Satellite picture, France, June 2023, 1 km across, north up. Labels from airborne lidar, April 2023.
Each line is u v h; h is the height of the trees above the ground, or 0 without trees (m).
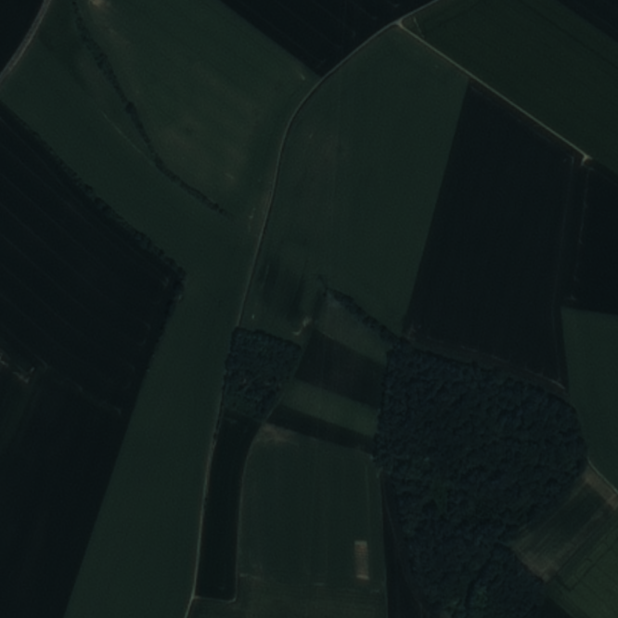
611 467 0
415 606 0
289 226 0
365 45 0
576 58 0
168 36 0
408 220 0
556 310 0
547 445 25
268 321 0
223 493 0
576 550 0
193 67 0
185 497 0
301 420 0
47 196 0
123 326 0
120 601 0
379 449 12
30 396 0
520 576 23
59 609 0
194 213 0
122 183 0
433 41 0
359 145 0
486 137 0
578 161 0
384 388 15
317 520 0
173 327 0
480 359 0
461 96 0
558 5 0
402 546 0
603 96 0
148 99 0
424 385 17
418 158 0
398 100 0
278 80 0
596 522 0
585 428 0
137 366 0
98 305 0
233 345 13
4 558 0
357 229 0
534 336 0
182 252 0
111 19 0
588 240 0
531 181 0
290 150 0
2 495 0
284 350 16
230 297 0
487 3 0
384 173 0
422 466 11
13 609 0
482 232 0
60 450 0
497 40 0
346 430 0
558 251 0
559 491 18
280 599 0
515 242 0
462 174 0
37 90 0
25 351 0
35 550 0
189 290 0
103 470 0
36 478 0
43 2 0
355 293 0
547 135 0
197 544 0
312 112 0
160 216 0
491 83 0
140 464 0
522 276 0
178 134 0
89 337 0
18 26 0
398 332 0
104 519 0
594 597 0
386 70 0
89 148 0
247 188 0
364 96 0
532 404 25
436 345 0
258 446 0
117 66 0
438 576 16
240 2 0
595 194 0
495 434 20
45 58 0
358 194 0
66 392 0
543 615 0
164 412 0
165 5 0
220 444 0
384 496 0
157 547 0
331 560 0
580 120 0
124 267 0
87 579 0
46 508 0
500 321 0
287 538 0
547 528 0
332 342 0
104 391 0
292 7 0
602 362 0
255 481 0
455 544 23
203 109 0
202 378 0
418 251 0
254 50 0
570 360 0
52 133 0
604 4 0
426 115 0
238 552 0
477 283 0
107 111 0
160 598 0
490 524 24
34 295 0
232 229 0
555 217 0
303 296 0
